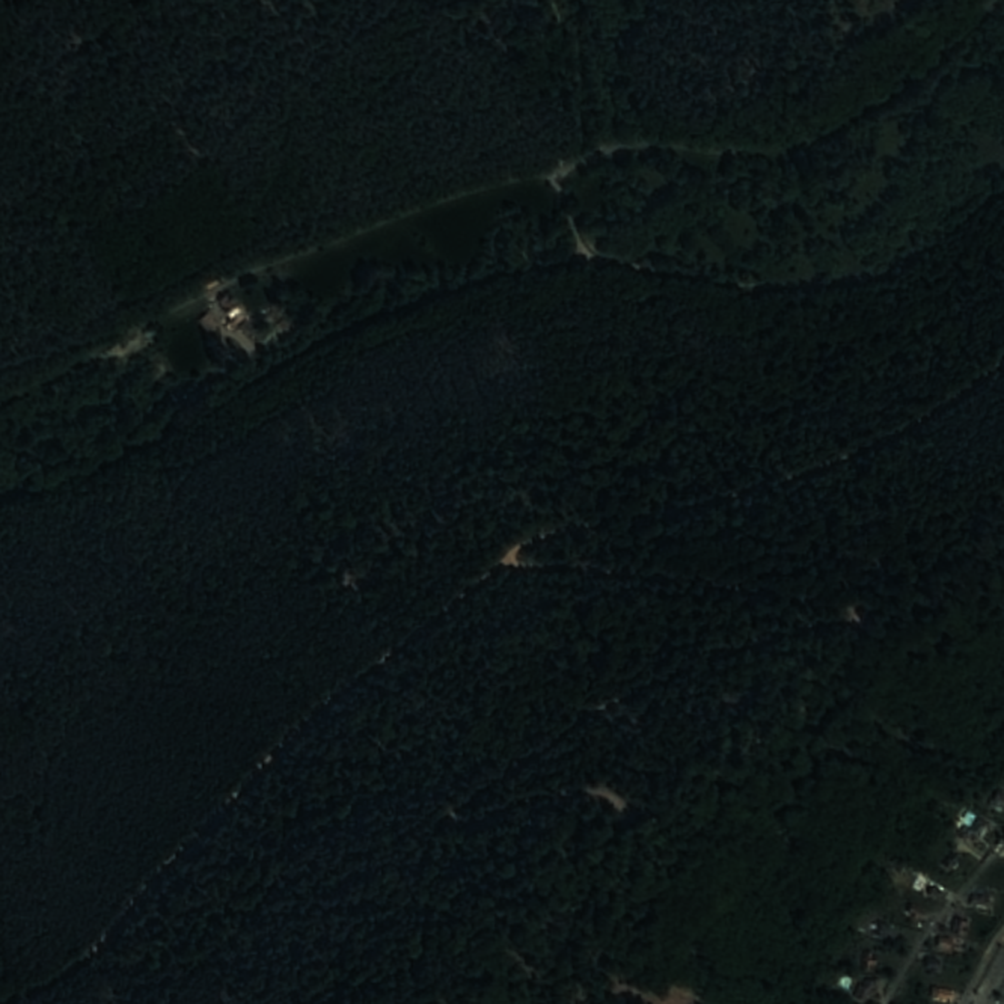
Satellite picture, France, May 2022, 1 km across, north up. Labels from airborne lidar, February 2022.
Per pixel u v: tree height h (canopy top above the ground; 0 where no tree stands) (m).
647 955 29
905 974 0
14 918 21
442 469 17
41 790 18
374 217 16
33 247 22
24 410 10
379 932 29
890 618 26
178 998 19
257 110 26
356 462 21
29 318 24
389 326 17
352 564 33
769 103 24
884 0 0
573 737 17
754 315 14
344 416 20
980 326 13
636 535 28
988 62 9
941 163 24
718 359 24
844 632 22
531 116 23
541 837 28
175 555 23
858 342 17
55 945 19
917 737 34
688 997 0
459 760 19
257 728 17
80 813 18
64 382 11
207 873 30
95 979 19
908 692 29
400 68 24
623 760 33
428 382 19
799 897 33
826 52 24
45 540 24
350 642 20
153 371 16
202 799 15
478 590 12
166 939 31
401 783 13
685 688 22
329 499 28
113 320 25
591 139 19
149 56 27
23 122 20
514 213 12
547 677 11
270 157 23
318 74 27
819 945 25
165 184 22
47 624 21
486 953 27
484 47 25
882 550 19
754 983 21
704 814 22
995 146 0
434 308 20
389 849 27
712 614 13
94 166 27
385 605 12
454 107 25
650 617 15
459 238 0
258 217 21
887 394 19
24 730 19
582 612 30
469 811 12
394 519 28
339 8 30
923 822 0
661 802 27
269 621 20
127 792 21
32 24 19
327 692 12
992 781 25
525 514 24
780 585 29
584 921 16
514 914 24
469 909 31
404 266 0
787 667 24
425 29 27
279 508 18
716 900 28
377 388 20
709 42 28
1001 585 26
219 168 18
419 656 17
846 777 36
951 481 15
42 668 20
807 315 18
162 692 18
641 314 16
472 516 9
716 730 28
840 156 33
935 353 5
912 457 17
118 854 16
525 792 9
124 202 25
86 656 21
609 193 13
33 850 24
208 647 18
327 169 26
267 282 0
